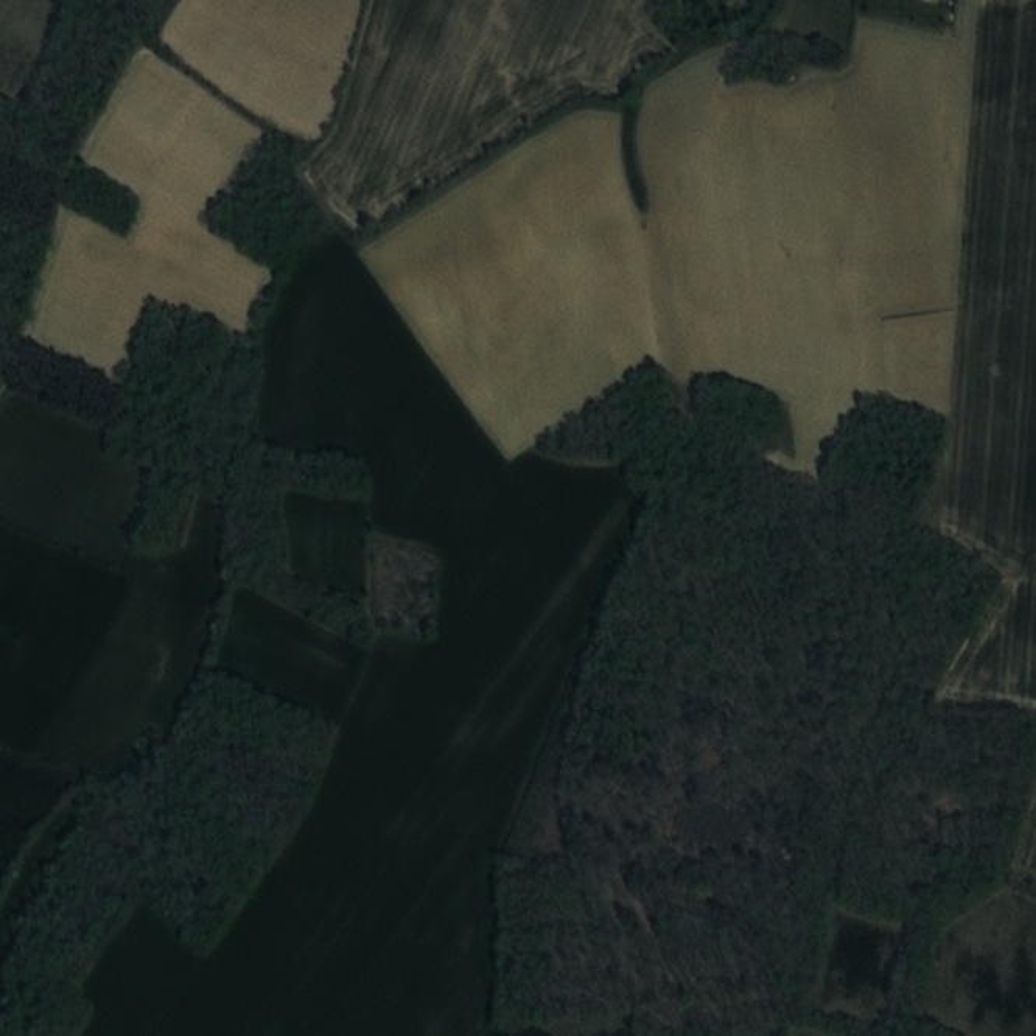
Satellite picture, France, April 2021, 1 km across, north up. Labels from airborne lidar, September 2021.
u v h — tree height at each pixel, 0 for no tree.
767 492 22
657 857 13
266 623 0
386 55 0
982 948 0
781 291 0
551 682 0
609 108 16
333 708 0
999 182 0
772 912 18
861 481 21
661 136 0
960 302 0
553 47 0
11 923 11
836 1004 0
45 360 23
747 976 14
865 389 0
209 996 0
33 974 23
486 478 0
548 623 0
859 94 0
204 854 23
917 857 16
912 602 18
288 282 11
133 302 0
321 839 0
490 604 0
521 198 0
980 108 0
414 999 0
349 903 0
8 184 23
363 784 0
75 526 0
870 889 25
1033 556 0
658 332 0
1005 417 0
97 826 8
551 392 0
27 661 0
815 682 11
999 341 0
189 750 16
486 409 0
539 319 0
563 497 0
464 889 0
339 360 0
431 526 0
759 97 0
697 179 0
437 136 0
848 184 0
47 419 0
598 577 0
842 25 0
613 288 0
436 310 0
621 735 25
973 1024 0
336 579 0
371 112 0
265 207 18
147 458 20
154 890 21
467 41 0
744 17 12
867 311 0
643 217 0
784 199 0
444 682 0
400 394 0
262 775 23
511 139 15
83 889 18
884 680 17
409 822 0
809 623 20
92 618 0
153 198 0
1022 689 0
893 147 0
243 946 0
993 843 19
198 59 0
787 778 21
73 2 23
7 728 0
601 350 0
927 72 0
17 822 0
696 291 0
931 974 19
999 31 0
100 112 19
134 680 0
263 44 0
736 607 19
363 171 0
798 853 26
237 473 19
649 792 14
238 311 0
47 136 17
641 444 23
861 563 18
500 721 0
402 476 0
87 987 0
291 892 0
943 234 0
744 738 20
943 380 0
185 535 0
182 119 0
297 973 0
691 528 21
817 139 0
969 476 0
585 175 0
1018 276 0
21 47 0
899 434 20
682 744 15
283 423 0
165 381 20
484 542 0
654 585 21
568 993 16
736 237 0
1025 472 0
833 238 0
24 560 0
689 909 18
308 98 0
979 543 0
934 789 16
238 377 25
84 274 0
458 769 0
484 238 0
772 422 20
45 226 23
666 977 19
